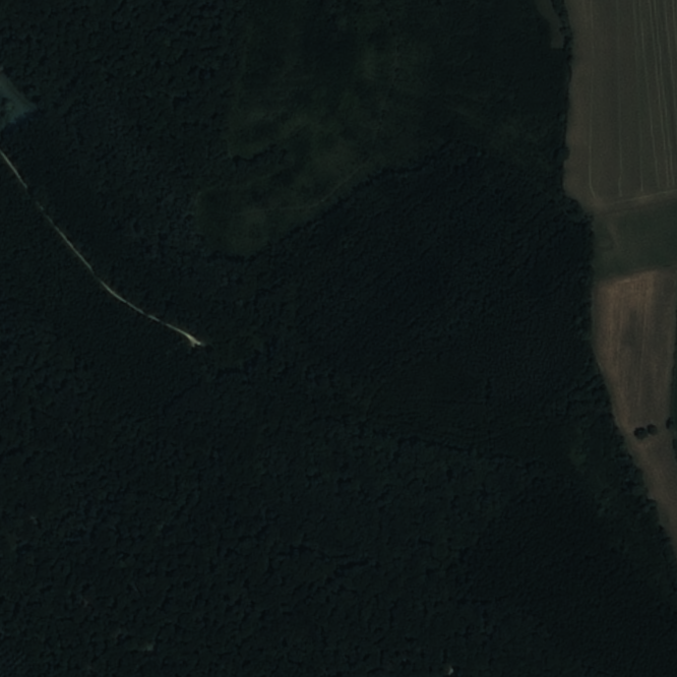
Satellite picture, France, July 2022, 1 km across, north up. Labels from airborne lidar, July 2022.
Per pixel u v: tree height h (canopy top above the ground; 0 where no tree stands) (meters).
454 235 17
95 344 20
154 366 16
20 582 28
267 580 23
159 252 23
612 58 0
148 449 25
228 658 26
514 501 20
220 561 24
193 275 30
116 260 26
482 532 15
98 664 28
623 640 19
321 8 10
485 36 7
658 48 0
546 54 6
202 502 26
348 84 6
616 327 0
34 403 24
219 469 28
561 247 18
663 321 0
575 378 18
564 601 20
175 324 23
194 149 24
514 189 15
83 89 28
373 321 21
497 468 18
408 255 16
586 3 0
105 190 27
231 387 24
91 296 18
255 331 6
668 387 0
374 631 24
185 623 27
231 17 25
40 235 18
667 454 0
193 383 16
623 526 7
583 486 8
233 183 20
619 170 0
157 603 23
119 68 20
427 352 17
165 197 28
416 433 9
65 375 28
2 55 19
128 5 28
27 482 21
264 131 7
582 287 21
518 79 7
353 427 27
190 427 31
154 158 27
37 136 26
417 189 18
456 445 9
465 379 7
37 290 18
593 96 0
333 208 9
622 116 0
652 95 0
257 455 23
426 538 21
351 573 31
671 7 0
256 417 21
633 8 0
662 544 12
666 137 0
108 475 27
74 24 27
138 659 28
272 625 24
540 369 19
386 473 27
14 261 19
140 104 25
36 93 25
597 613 18
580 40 0
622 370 0
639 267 0
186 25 26
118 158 29
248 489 27
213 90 23
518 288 18
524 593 21
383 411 6
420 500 28
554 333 19
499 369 16
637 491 24
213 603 25
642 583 18
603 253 0
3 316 29
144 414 18
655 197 0
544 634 22
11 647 18
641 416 0
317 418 15
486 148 6
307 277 11
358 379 19
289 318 22
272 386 24
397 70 7
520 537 18
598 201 0
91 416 21
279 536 25
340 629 26
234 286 33
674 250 0
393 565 25
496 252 23
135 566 25
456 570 18
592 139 0
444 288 21
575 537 19
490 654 28
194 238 34
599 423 6
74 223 27
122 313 16
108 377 18
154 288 24
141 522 22
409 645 28
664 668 22
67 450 25
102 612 27
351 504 26
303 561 29
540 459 11
